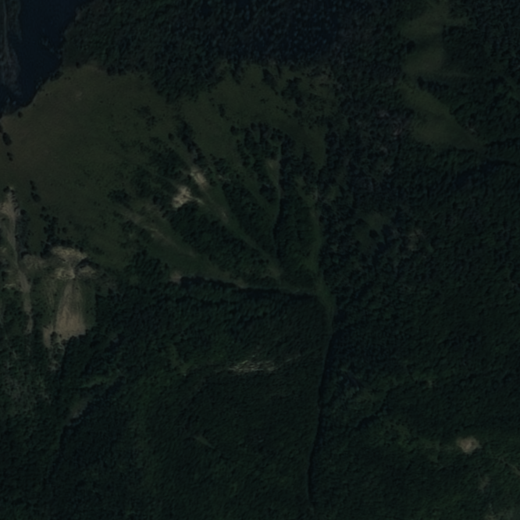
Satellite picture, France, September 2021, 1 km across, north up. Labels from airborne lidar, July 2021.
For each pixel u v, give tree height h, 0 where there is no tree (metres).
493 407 26
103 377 17
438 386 27
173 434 24
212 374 20
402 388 16
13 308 7
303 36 8
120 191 7
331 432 20
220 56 17
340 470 11
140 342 17
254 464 26
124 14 9
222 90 0
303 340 19
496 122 25
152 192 7
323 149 0
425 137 0
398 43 11
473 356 26
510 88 26
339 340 18
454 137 0
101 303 21
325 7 6
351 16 10
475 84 13
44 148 0
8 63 0
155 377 19
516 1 25
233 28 11
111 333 8
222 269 13
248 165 19
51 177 0
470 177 21
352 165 11
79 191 0
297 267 23
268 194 33
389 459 26
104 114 0
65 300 0
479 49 29
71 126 0
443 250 14
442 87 9
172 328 23
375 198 12
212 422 25
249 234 15
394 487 20
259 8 11
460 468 22
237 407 24
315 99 9
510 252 19
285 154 22
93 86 0
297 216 21
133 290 19
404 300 14
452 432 22
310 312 16
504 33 12
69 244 10
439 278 23
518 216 23
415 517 15
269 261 10
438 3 6
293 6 7
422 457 17
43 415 12
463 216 29
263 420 18
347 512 16
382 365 18
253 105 0
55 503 23
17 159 0
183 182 8
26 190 0
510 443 13
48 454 14
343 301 20
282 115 0
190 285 20
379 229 0
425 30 0
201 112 0
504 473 16
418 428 16
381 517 21
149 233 8
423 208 22
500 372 24
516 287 11
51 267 7
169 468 27
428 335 24
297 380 17
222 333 19
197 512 27
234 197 26
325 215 8
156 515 19
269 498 27
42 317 10
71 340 9
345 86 13
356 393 10
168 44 7
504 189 22
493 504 9
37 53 0
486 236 22
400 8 12
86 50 8
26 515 24
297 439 24
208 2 18
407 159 14
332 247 17
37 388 7
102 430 22
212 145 0
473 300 23
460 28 9
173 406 21
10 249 0
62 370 10
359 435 18
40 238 0
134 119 0
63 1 0
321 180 9
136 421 16
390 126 8
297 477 32
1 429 16
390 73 27
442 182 17
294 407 22
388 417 11
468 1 27
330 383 25
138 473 23
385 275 23
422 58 0
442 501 18
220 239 21
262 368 27
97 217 0
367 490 17
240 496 24
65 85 0
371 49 8
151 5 11
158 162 8
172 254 0
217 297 16
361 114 7
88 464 21
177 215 20
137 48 8
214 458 24
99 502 24
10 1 0
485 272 24
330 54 7
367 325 22
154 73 10
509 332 19
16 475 15
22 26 0
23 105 0
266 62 17
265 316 26
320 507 20
